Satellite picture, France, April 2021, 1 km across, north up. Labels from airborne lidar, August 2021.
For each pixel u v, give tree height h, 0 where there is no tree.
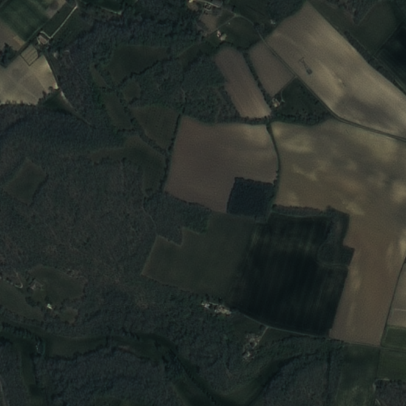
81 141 16
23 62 0
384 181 0
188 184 0
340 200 0
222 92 9
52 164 13
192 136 0
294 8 15
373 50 0
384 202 0
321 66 0
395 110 0
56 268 10
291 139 0
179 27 25
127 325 23
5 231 13
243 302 0
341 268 0
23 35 0
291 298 0
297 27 0
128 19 7
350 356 0
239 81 0
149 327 19
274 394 17
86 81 18
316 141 0
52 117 12
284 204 0
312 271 0
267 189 10
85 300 18
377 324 0
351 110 0
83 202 12
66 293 0
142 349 0
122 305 22
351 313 0
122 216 11
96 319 22
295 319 0
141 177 12
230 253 0
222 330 14
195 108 13
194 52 0
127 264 12
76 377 18
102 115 15
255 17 0
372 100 0
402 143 0
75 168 17
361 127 0
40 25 0
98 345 0
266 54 0
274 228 0
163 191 12
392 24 0
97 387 16
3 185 8
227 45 8
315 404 9
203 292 0
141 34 23
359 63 0
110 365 21
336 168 0
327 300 0
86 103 10
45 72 0
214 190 0
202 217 14
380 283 0
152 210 13
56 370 9
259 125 10
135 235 14
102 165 13
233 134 0
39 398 0
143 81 11
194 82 17
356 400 0
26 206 13
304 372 13
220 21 0
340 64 0
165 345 0
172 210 12
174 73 18
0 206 8
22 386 22
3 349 21
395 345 0
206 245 0
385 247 0
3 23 0
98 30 17
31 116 10
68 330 22
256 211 12
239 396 0
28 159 12
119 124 0
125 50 0
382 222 0
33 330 0
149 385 14
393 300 0
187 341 16
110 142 17
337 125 0
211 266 0
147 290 15
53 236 8
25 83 0
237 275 0
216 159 0
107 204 12
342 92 0
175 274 0
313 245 0
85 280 9
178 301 10
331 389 11
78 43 12
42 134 15
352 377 0
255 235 0
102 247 15
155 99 13
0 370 14
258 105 0
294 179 0
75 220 10
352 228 0
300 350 16
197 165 0
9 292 0
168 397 9
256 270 0
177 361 10
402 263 0
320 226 0
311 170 0
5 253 8
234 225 0
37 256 14
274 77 0
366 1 11
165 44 17
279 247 0
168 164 14
